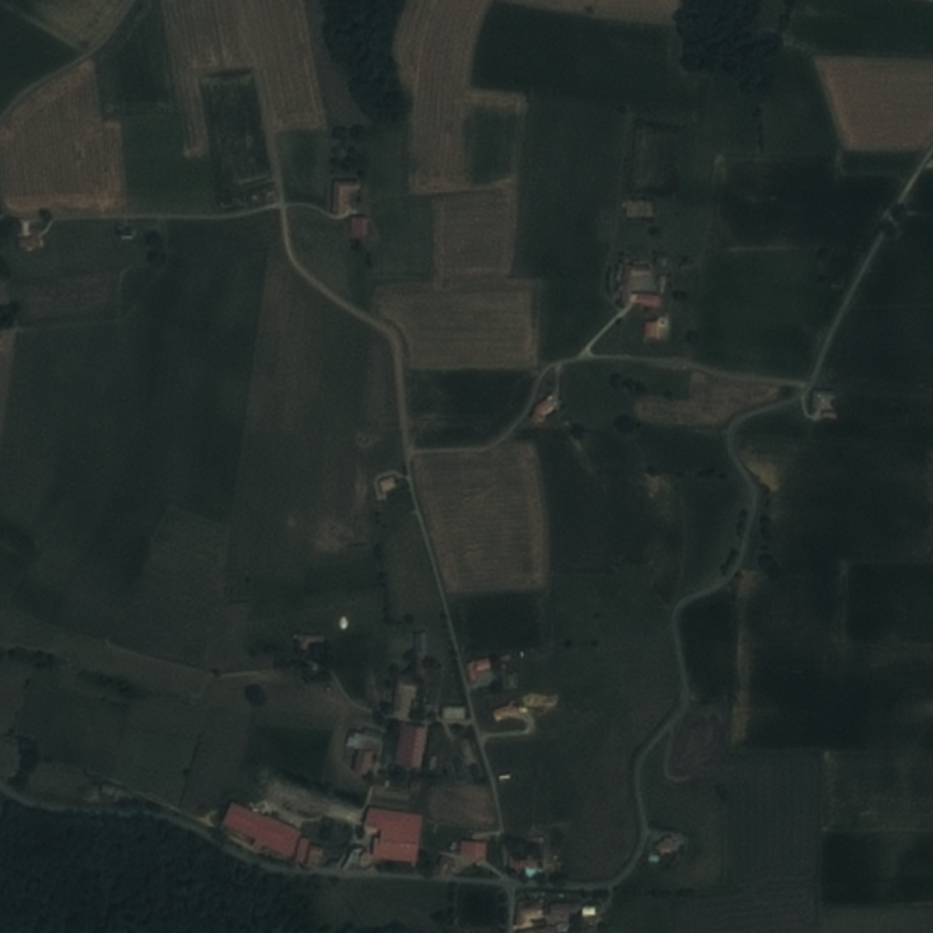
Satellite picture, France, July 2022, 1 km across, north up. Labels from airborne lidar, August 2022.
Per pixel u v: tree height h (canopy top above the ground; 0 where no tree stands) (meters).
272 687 0
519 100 0
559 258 0
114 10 0
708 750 0
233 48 0
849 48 0
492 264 0
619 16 0
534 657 0
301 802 0
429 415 0
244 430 0
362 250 8
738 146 0
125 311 0
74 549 0
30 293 0
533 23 0
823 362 0
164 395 0
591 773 0
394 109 9
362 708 0
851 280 0
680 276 0
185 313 0
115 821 21
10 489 0
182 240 0
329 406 0
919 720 0
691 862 0
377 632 0
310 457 0
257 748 0
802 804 0
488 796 0
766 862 0
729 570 9
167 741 0
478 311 0
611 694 0
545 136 0
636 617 0
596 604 0
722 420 0
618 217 0
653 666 0
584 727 0
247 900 26
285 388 0
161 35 0
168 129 0
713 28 20
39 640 0
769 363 0
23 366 0
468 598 0
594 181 0
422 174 0
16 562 0
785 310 0
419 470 0
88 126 0
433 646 0
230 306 0
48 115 0
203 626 0
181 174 0
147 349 0
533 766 0
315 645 14
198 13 0
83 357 0
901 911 0
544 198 0
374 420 0
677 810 0
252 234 0
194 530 0
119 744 0
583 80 0
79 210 0
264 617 0
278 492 0
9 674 0
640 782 0
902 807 0
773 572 18
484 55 0
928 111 0
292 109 0
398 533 0
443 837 0
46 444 0
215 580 0
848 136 0
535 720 0
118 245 0
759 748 0
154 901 32
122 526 0
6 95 0
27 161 0
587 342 0
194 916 30
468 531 0
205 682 0
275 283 0
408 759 0
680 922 0
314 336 0
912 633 0
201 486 0
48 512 0
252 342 0
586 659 0
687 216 0
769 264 0
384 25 22
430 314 0
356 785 0
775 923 0
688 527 0
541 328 0
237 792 0
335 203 0
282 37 0
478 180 0
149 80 0
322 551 0
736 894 0
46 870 29
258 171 0
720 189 0
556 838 0
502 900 10
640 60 0
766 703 0
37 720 0
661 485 0
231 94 0
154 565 0
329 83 0
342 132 7
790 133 0
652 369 0
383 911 0
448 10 0
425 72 0
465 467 0
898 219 12
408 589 0
